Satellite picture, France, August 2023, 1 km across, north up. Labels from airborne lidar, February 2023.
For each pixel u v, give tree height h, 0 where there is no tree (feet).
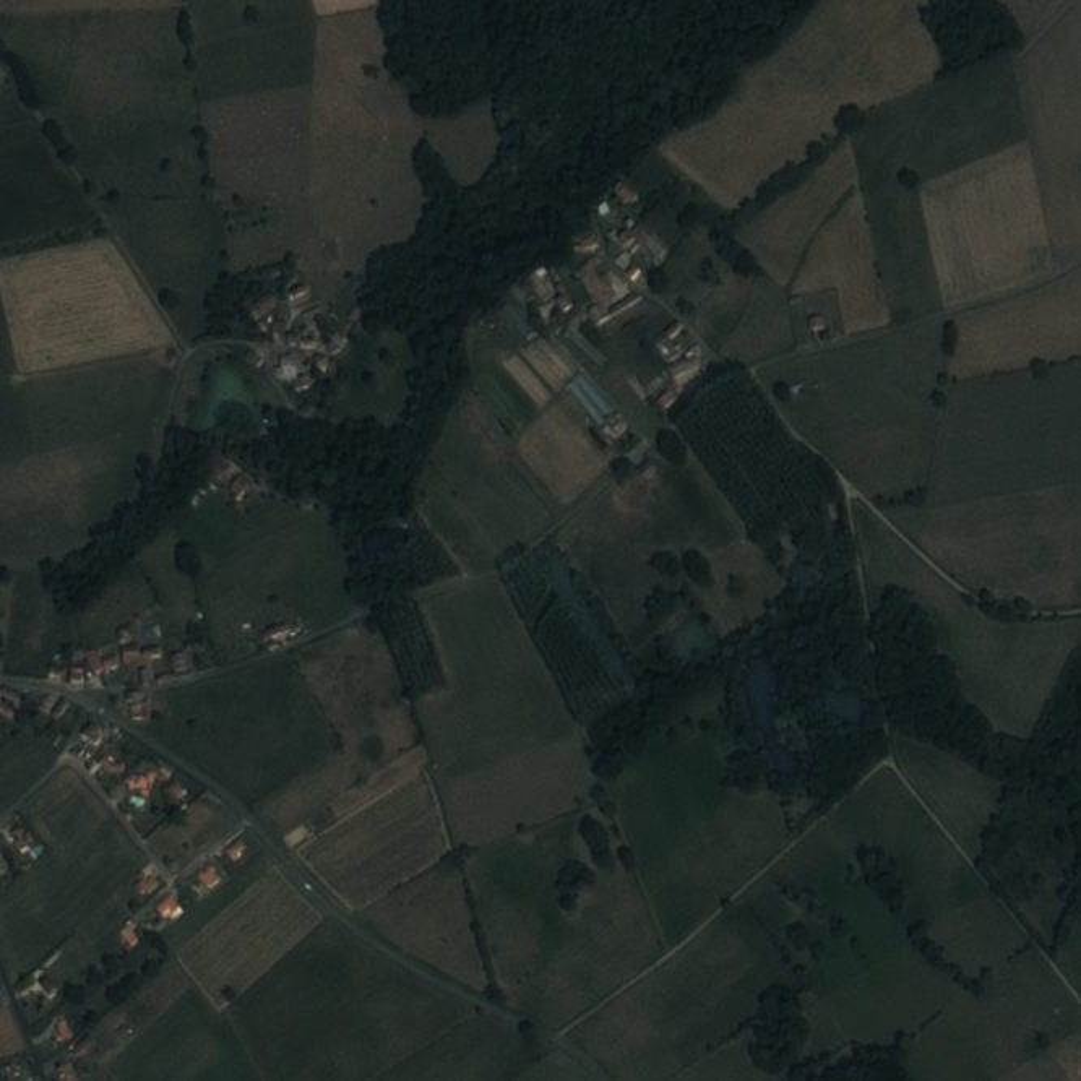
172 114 0
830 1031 0
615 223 0
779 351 0
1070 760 97
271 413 52
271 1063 0
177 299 48
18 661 0
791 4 49
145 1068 0
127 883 0
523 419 0
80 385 0
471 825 0
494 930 0
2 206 0
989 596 41
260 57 0
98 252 0
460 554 0
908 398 0
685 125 32
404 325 99
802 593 51
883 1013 0
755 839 0
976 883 0
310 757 0
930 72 0
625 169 57
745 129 0
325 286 0
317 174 0
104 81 0
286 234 0
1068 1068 0
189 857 0
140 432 0
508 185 80
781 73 0
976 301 0
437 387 41
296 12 0
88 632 0
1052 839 0
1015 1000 0
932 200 0
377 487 71
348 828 0
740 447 92
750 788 59
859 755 76
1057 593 0
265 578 0
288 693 0
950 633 0
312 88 0
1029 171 0
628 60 81
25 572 0
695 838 0
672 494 0
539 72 91
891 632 54
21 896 0
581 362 0
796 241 0
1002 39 58
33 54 0
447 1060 0
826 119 0
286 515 0
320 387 38
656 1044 0
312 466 59
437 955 0
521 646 0
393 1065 0
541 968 0
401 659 70
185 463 72
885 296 0
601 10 86
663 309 0
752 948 0
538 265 55
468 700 0
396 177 0
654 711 66
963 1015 0
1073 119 0
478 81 82
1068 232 0
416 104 49
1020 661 0
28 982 29
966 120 0
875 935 0
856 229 0
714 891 0
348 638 0
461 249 17
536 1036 51
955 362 0
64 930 0
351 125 0
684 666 41
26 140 0
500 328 0
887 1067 64
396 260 76
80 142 0
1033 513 0
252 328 34
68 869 0
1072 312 0
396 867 0
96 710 0
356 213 0
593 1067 0
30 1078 0
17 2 0
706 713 0
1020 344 0
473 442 0
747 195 0
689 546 0
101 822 0
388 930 0
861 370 0
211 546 0
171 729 0
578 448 0
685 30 61
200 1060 0
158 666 0
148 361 0
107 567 59
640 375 0
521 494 0
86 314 0
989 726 65
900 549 0
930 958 35
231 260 36
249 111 0
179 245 0
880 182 0
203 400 0
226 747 0
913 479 0
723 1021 0
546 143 77
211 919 0
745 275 60
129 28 0
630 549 0
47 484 0
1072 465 0
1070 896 45
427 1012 0
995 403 0
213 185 37
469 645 0
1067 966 0
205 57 0
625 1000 0
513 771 0
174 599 0
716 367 0
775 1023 49
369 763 0
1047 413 0
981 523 0
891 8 0
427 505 0
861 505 0
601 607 31
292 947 0
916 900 0
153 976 46
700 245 0
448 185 64
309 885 0
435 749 0
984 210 0
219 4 0
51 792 0
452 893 0
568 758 0
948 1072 0
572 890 34
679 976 0
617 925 0
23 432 0
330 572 0
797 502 94
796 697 57
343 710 0
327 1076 0
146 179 0
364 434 29
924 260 0
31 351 0
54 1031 0
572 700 89
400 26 65
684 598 35
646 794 0
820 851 0
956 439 0
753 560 0
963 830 0
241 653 0
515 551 0
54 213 0
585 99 93
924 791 0
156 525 56
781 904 0
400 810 0
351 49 0
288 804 0
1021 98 0
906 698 65
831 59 0
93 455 0
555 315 21
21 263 0
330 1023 0
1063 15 0
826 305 0
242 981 0
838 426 0
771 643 62
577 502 0
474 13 88
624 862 38
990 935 0
